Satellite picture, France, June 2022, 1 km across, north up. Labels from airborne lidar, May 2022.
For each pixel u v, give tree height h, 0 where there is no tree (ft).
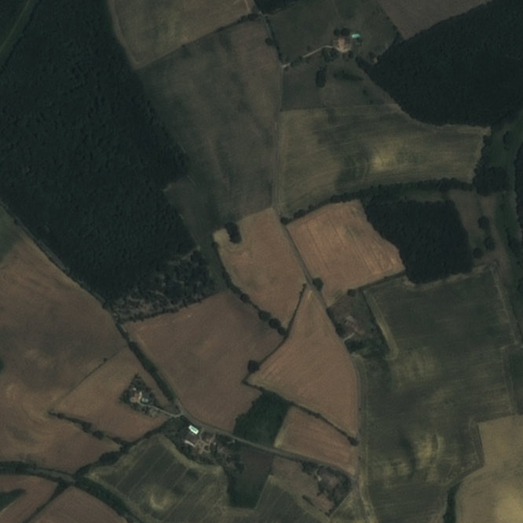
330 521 0
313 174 0
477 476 0
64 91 86
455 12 0
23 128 86
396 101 42
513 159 0
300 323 0
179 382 0
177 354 0
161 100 0
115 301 27
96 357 0
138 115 58
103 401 0
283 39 0
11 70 86
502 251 0
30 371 0
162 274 89
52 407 0
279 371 0
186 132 0
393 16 0
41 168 60
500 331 0
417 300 0
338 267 0
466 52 59
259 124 0
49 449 0
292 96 0
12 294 0
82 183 58
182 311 0
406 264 47
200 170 0
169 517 0
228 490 21
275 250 0
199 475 0
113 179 66
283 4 41
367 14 0
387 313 0
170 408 0
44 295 0
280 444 0
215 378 0
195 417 0
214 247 35
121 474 0
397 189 22
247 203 0
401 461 0
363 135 0
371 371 0
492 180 61
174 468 0
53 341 0
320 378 0
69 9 76
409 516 0
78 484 45
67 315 0
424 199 0
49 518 0
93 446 0
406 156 0
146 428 0
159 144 99
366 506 0
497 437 0
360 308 0
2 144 40
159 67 0
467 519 0
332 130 0
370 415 0
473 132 0
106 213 44
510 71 19
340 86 0
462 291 0
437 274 49
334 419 0
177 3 0
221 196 0
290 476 0
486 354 0
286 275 0
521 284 43
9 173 67
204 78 0
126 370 0
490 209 0
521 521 0
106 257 69
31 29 72
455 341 0
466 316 0
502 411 0
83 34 90
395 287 0
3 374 0
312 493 0
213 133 0
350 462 0
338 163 0
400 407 0
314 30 0
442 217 63
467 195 0
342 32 40
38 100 78
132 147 57
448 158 0
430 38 49
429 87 59
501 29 52
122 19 0
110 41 79
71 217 69
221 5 0
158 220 72
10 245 0
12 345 0
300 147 0
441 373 0
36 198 60
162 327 0
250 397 0
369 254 0
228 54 0
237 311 0
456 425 0
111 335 0
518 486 0
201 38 0
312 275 0
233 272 0
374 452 0
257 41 0
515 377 0
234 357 0
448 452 0
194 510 0
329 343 0
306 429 0
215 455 32
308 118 0
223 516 0
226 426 0
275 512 0
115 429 0
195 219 0
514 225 0
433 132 0
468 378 0
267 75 0
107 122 33
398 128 0
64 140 81
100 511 0
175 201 0
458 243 72
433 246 70
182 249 80
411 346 0
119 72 50
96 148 55
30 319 0
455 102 52
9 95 60
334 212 0
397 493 0
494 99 25
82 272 29
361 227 0
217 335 0
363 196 46
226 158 0
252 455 0
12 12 66
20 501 0
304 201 0
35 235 31
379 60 43
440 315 0
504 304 0
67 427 0
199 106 0
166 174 57
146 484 0
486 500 0
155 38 0
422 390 0
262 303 0
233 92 0
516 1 61
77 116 88
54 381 0
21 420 0
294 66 39
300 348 0
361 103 0
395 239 52
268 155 0
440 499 0
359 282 0
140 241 71
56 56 91
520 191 53
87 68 84
